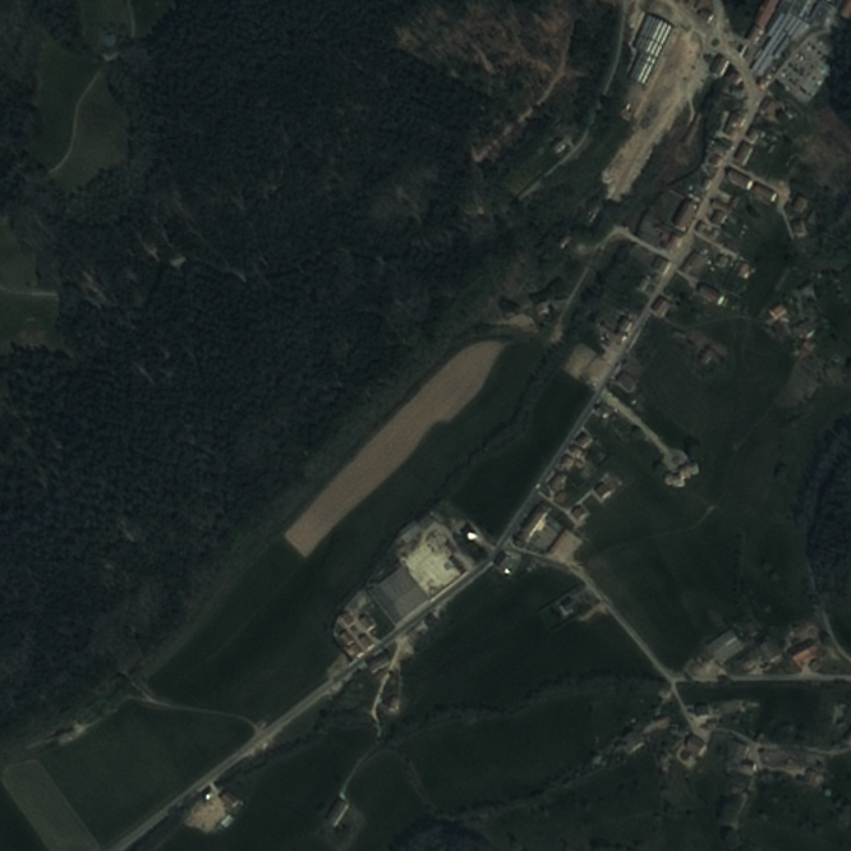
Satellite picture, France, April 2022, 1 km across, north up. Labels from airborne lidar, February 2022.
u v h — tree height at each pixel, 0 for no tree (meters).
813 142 0
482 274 19
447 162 34
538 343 0
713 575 0
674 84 0
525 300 0
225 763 0
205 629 0
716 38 0
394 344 28
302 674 0
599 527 0
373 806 0
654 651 0
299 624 0
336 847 0
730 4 20
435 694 0
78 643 25
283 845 0
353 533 0
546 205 17
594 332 6
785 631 0
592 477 0
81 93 0
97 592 26
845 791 0
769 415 0
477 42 27
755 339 0
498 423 0
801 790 0
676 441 0
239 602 0
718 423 0
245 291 31
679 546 0
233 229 20
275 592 0
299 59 26
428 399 0
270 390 20
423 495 0
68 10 22
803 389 0
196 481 31
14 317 0
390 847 0
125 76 19
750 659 0
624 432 0
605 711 0
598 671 0
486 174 26
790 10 0
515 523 0
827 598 21
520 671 0
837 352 0
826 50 0
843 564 25
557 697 14
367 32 29
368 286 24
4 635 24
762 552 0
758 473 0
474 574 0
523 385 0
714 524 0
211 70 28
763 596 0
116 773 0
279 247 18
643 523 0
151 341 25
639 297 0
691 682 15
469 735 0
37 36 32
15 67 20
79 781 0
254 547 10
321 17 22
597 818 0
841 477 29
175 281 37
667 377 0
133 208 17
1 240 0
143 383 29
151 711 0
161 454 29
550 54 27
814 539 18
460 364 0
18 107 22
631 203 16
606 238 21
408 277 25
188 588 31
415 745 0
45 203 27
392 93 28
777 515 0
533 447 0
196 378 31
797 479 0
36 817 0
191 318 28
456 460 0
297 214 22
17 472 10
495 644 0
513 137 10
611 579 0
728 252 0
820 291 9
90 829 0
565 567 0
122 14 0
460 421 0
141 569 27
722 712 0
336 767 0
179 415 35
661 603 0
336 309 19
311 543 0
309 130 24
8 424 11
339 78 27
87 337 9
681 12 0
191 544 25
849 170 25
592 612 0
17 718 27
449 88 26
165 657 0
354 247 21
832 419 0
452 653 0
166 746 0
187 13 23
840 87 19
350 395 24
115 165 0
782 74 0
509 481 0
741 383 0
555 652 0
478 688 0
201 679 0
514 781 0
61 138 0
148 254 25
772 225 0
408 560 0
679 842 0
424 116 23
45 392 29
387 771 0
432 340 22
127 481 32
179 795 0
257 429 30
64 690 23
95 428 31
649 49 0
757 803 0
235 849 0
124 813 0
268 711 0
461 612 0
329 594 0
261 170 20
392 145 27
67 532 23
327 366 27
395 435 0
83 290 23
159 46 23
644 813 0
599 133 7
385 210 26
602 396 0
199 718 0
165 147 17
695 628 0
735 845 23
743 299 0
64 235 29
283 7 26
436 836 30
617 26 17
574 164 8
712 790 0
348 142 24
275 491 28
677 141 0
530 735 0
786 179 0
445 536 0
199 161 21
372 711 0
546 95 35
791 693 0
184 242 23
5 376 19
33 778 0
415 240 6
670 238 0
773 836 0
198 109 27
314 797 0
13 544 29
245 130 23
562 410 0
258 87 25
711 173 0
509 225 26
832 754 0
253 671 0
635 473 0
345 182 27
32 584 27
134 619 32
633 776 0
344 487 0
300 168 24
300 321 31
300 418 34
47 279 27
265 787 0
